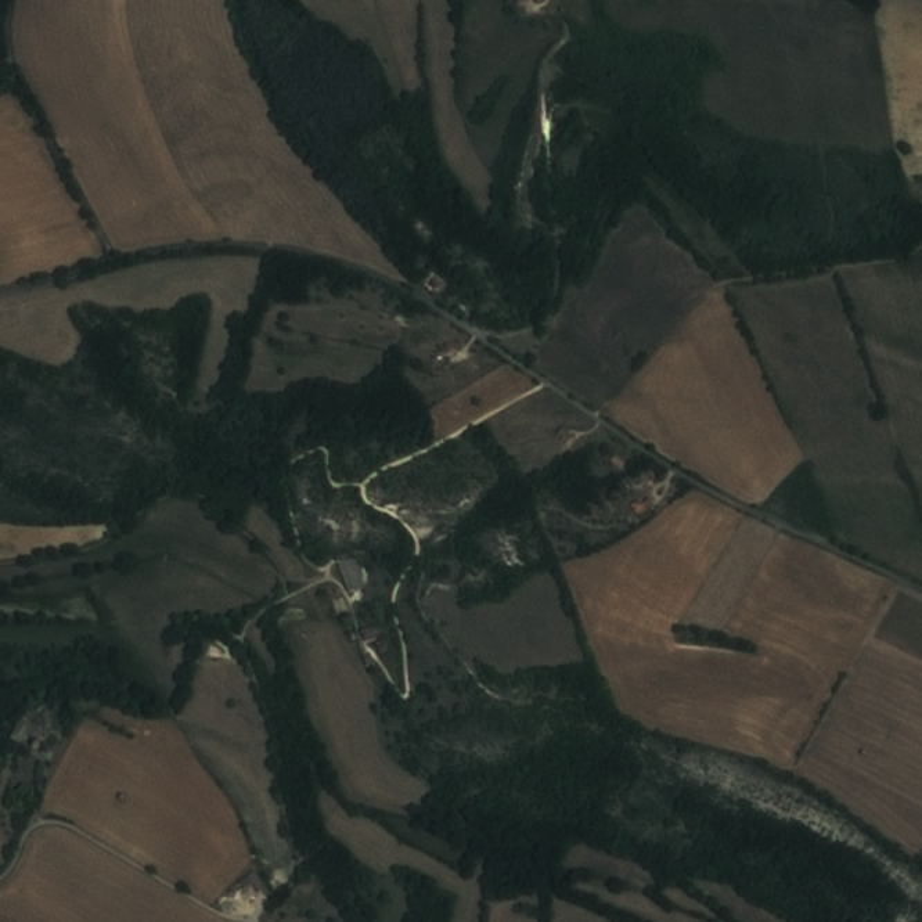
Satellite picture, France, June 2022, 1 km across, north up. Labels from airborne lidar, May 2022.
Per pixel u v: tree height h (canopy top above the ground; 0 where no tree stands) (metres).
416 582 11
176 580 0
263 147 0
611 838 8
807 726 0
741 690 0
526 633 0
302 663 0
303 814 20
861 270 0
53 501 14
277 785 11
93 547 0
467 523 9
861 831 6
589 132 5
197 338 13
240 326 13
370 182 7
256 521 0
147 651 0
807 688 0
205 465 20
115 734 7
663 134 13
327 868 14
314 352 0
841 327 0
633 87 8
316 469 6
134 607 0
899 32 0
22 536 0
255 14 14
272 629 15
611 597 0
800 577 0
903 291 0
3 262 0
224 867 0
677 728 0
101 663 17
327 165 14
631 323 0
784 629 0
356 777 0
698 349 0
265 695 10
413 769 12
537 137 0
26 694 13
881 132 0
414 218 7
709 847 11
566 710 8
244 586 0
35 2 0
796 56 0
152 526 0
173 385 9
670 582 0
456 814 16
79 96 0
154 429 8
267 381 0
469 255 7
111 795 0
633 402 0
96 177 0
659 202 13
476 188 0
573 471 13
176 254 9
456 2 10
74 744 0
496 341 8
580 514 8
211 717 0
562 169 7
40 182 0
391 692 12
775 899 8
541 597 0
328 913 0
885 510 0
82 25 0
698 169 13
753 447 0
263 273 12
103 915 0
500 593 9
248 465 17
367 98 17
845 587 0
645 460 7
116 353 13
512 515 12
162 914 0
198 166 0
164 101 0
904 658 0
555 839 21
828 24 0
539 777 9
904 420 0
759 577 0
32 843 0
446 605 0
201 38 0
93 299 0
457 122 0
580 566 0
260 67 12
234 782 0
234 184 0
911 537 0
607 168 15
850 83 0
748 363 0
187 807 0
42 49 0
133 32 0
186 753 0
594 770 15
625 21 0
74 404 6
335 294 13
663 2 0
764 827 9
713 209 13
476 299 10
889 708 0
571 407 0
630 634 0
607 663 0
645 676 0
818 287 0
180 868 0
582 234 12
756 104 0
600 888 0
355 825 0
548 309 16
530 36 0
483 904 12
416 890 12
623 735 10
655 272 0
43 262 0
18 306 0
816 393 0
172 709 7
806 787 11
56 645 6
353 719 0
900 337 0
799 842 11
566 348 0
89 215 11
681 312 0
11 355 9
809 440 0
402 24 0
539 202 9
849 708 0
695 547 0
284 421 14
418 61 6
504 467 9
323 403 16
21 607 0
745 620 0
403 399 11
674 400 0
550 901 14
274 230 0
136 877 0
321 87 15
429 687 10
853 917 11
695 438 0
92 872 0
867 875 16
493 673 8
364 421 12
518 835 18
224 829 0
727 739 0
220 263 0
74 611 0
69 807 0
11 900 0
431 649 0
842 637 0
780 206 5
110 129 0
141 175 0
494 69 0
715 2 0
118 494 7
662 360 0
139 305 0
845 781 0
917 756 0
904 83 0
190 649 14
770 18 0
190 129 0
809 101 0
